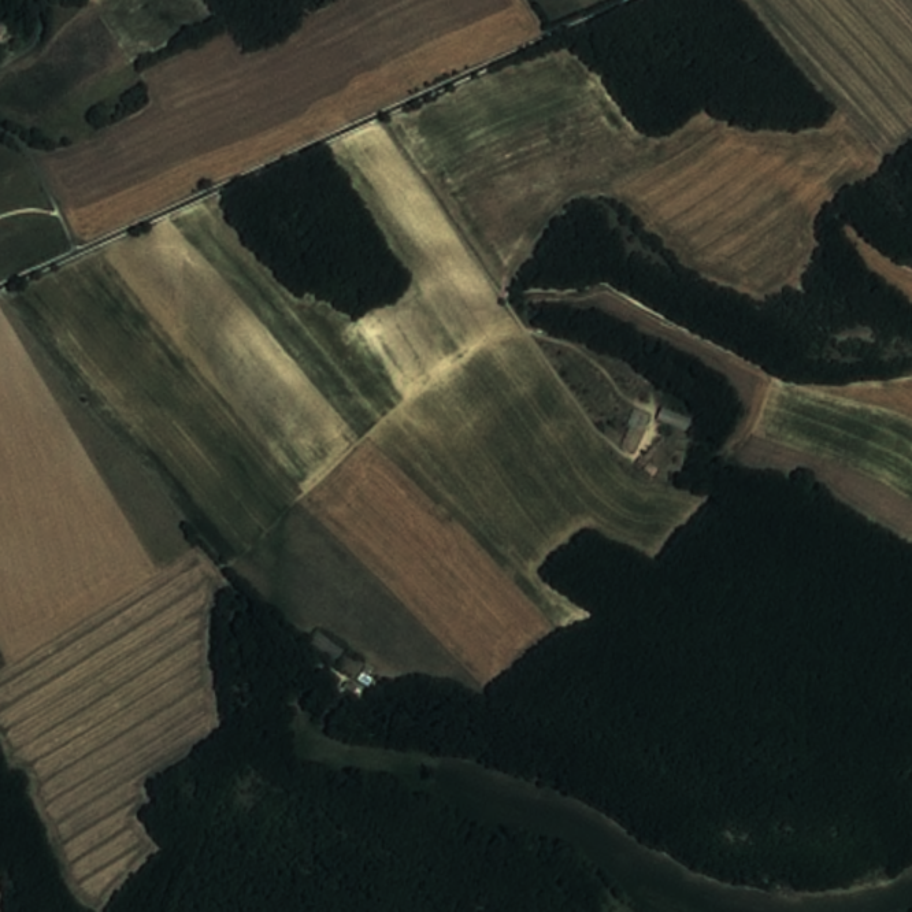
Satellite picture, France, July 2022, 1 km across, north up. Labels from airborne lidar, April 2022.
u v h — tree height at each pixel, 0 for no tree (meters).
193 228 0
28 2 15
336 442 0
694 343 0
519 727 17
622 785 15
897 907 0
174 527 0
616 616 15
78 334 0
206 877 13
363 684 0
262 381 0
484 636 0
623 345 21
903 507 0
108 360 0
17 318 0
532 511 0
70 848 0
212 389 0
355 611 0
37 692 0
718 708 13
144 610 0
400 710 20
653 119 13
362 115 0
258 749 17
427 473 0
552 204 0
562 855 22
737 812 10
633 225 8
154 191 0
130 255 0
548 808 0
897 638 16
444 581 0
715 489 18
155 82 0
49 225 0
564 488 0
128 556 0
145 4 0
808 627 16
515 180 0
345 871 18
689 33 13
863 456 0
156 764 0
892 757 12
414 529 0
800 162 0
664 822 18
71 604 0
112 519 0
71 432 0
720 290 9
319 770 19
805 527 15
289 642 14
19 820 18
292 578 0
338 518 0
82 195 0
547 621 0
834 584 19
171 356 0
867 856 13
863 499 0
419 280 0
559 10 0
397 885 15
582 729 15
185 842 15
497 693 17
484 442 0
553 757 19
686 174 0
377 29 0
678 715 12
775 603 15
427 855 14
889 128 0
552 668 17
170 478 0
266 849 14
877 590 18
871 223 17
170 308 0
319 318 0
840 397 0
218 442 0
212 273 0
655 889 0
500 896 14
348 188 15
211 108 0
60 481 0
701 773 13
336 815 14
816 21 0
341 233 15
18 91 0
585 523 0
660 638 15
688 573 18
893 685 13
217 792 10
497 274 0
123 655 0
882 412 0
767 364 20
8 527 0
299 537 0
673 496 0
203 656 0
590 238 18
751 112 13
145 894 8
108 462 0
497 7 0
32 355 0
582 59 10
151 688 0
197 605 0
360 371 0
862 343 7
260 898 18
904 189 9
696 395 19
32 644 0
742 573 16
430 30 0
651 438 0
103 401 0
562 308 20
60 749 0
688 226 0
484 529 0
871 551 19
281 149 0
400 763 0
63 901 13
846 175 0
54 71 0
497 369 0
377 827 13
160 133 0
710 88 13
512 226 0
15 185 0
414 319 0
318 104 0
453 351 0
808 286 9
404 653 0
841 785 12
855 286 16
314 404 0
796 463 0
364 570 0
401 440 0
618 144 0
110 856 0
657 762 9
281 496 0
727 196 0
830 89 0
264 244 14
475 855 20
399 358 0
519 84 0
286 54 0
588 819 0
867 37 0
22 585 0
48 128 0
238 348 0
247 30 14
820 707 15
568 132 0
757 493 18
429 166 0
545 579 12
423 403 0
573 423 0
